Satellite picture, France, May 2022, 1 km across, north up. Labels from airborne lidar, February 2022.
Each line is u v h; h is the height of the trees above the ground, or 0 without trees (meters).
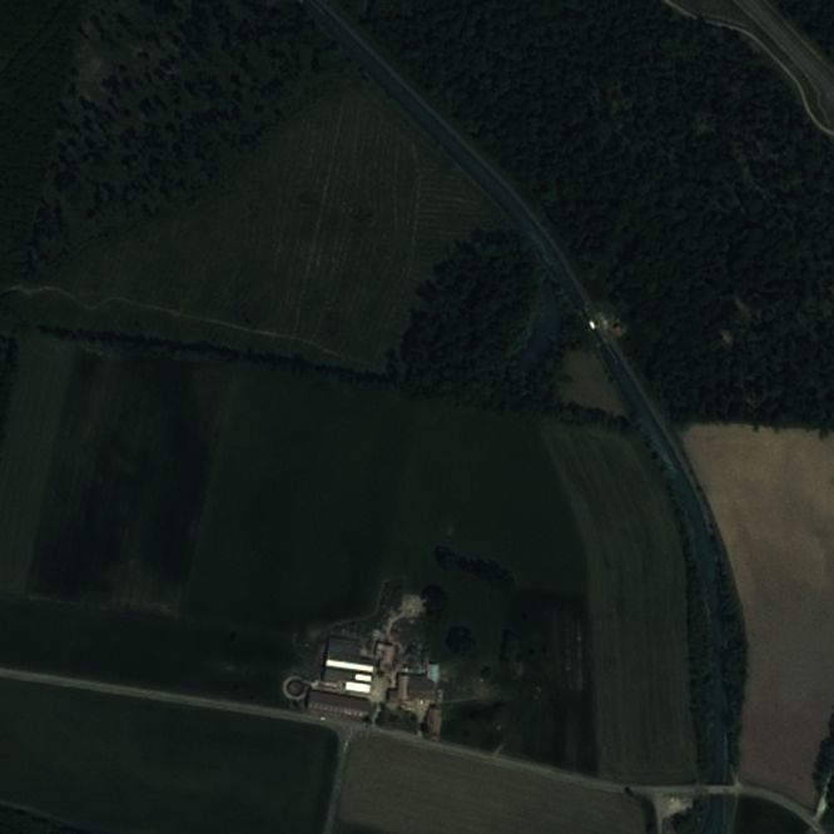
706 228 28
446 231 0
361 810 0
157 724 0
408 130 0
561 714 0
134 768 0
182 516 0
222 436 0
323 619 0
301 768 0
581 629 0
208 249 0
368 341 0
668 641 0
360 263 0
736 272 25
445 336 26
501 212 0
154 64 0
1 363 22
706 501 0
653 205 27
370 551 0
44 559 0
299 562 0
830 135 0
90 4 32
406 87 0
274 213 0
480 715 11
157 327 0
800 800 0
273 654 0
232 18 29
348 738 0
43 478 0
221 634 0
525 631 0
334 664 0
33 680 0
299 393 0
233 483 0
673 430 0
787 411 28
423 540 0
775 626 0
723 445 0
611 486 0
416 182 0
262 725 0
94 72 0
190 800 0
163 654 0
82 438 0
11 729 0
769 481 0
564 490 0
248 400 0
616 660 0
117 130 0
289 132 0
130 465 0
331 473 0
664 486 0
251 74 26
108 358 0
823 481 0
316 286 0
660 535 0
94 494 0
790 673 0
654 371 16
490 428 0
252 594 0
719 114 29
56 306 0
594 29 18
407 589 0
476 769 0
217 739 0
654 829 9
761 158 29
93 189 0
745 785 0
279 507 0
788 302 28
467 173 0
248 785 0
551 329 0
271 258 0
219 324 0
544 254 0
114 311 0
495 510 0
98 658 0
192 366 0
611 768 0
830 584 0
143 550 0
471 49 24
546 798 0
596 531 0
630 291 20
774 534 0
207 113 0
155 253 0
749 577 0
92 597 0
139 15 0
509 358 11
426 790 0
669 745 0
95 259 0
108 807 0
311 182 0
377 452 0
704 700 8
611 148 9
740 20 0
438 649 0
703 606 18
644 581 0
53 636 0
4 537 0
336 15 0
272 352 0
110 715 0
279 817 0
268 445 0
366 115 0
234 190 0
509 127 25
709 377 29
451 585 0
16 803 0
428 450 0
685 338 26
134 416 0
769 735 0
